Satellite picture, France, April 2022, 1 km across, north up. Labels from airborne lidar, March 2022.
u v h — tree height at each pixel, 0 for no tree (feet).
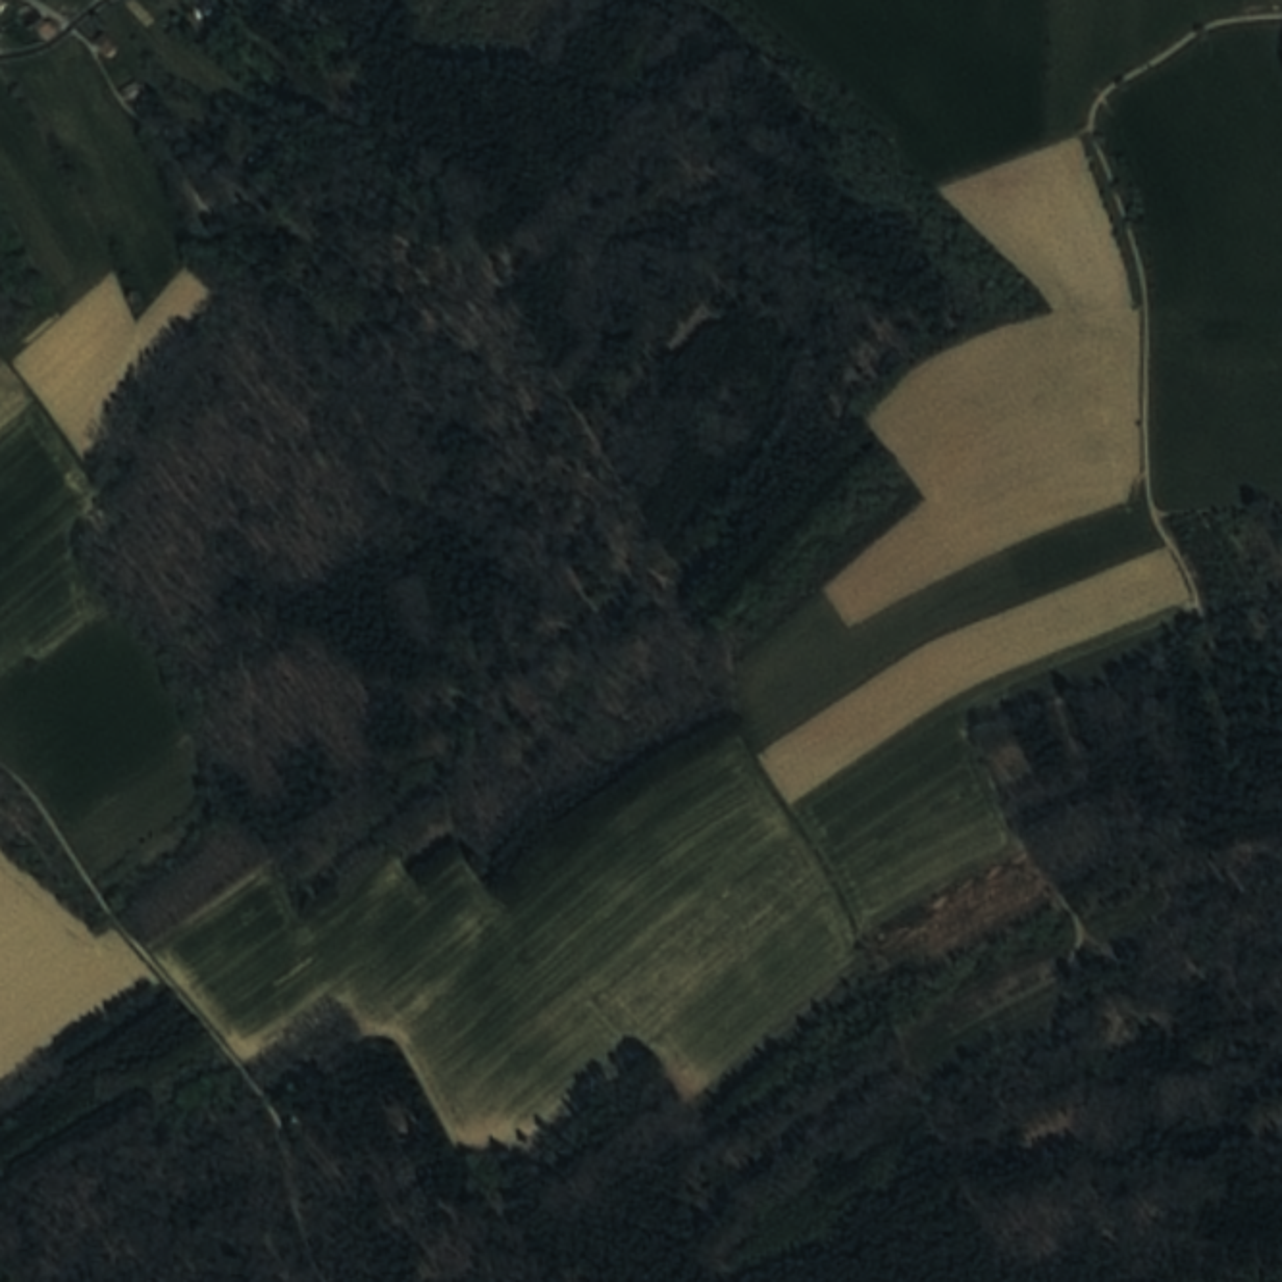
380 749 97
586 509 18
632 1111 102
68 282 0
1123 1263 77
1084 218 0
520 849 97
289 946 0
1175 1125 98
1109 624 0
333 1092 112
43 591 0
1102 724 86
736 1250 57
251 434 91
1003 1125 79
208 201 92
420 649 98
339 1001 0
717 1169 98
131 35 0
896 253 88
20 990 0
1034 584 0
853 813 0
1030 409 0
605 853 0
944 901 100
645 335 90
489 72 95
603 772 95
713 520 88
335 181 95
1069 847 105
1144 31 0
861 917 0
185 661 80
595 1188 107
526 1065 0
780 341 58
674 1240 65
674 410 89
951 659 0
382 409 116
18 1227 90
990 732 88
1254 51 0
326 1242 63
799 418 73
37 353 0
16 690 0
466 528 91
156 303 0
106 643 0
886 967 104
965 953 62
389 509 110
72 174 31
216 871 83
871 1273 83
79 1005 0
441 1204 85
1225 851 65
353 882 95
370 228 53
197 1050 70
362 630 94
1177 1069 53
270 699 88
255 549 89
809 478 85
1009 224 0
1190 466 0
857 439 80
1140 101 0
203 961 0
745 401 60
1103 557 0
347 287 35
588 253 92
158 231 0
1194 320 0
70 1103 79
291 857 97
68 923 0
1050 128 0
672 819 0
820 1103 98
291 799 82
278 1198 77
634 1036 0
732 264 69
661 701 103
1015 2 0
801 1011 0
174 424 98
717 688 95
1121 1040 0
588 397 33
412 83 90
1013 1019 0
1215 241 0
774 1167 23
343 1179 73
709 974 0
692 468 70
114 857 0
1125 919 0
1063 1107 79
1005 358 0
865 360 82
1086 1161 88
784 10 0
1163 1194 102
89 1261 93
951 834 0
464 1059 0
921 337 79
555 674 104
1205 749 67
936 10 0
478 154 82
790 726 0
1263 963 88
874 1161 53
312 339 114
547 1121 0
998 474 0
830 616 0
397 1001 0
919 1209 67
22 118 0
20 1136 70
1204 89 0
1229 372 0
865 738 0
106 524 62
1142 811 58
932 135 0
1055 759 91
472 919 0
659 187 92
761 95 83
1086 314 0
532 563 106
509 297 36
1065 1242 83
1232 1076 89
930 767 0
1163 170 0
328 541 92
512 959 0
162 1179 107
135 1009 57
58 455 0
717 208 43
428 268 37
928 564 0
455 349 54
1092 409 0
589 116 81
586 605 80
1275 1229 57
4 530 0
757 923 0
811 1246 53
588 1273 70
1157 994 80
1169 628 0
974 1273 81
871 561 0
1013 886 102
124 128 0
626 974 0
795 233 84
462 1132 0
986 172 0
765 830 0
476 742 80
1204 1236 62
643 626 94
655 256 94
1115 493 0
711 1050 0
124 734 0
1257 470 0
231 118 63
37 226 0
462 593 75
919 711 0
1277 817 66
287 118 104
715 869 0
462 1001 0
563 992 0
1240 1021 41
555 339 88
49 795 0
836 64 0
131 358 0
